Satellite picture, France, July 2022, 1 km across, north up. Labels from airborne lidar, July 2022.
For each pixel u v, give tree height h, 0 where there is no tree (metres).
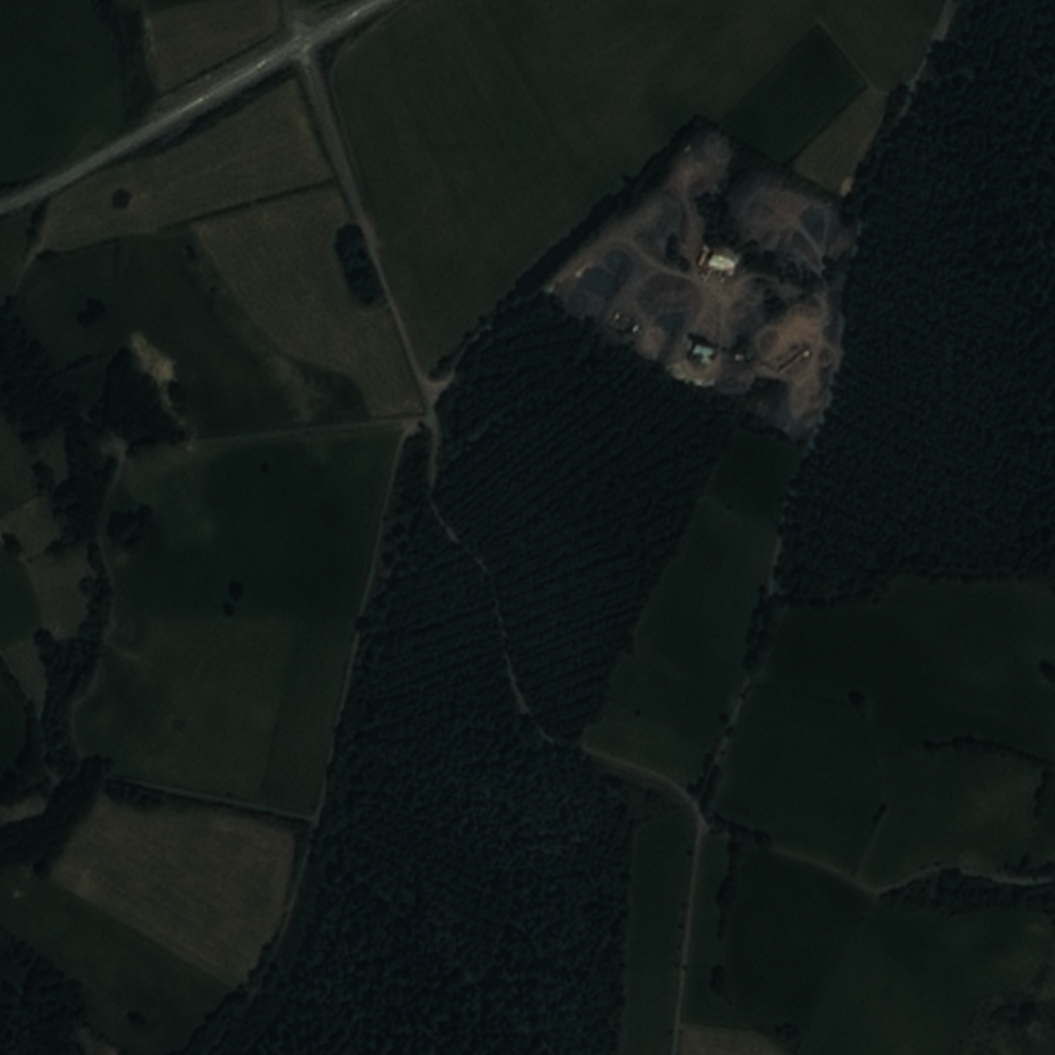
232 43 0
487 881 14
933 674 0
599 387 18
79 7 0
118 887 0
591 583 14
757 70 0
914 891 6
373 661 20
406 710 17
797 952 0
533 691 17
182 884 0
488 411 17
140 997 0
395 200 0
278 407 0
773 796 0
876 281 16
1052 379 26
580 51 0
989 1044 0
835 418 19
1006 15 18
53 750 9
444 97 0
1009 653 0
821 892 0
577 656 15
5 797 19
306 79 0
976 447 15
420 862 16
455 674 13
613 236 0
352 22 0
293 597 0
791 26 0
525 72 0
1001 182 24
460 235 0
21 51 0
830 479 19
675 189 0
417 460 11
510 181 0
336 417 0
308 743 0
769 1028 0
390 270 0
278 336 0
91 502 19
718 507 0
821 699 0
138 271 0
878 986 0
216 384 0
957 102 19
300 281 0
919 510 13
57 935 0
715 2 0
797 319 0
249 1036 7
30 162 0
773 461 0
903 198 20
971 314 20
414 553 13
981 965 0
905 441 20
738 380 0
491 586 17
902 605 0
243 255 0
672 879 0
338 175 0
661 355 0
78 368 7
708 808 23
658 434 19
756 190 0
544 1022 29
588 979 24
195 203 0
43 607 0
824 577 18
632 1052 0
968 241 18
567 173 0
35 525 0
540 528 18
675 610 0
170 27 0
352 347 0
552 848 19
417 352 0
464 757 20
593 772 17
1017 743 0
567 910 20
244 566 0
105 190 0
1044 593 0
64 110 0
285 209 0
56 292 0
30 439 18
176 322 0
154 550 0
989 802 0
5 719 0
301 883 0
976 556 15
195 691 0
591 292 0
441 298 0
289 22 0
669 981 0
